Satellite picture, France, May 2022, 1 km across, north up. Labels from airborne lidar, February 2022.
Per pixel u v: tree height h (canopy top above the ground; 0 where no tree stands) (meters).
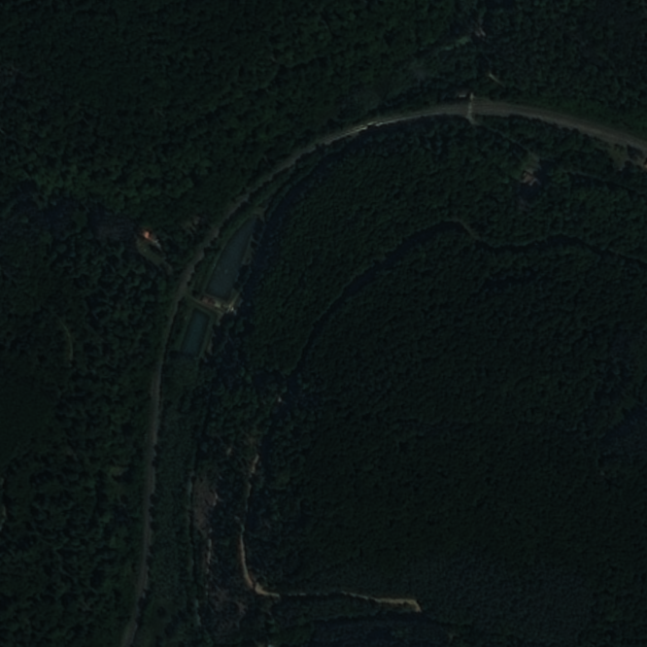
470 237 27
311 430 25
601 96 29
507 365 30
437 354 31
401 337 28
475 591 21
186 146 33
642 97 27
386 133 22
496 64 22
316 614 23
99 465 38
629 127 25
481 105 0
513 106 0
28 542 36
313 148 0
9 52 27
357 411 27
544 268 27
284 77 31
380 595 10
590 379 32
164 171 35
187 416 22
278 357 31
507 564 22
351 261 27
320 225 26
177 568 22
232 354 30
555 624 26
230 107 27
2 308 31
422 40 29
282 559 10
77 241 19
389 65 23
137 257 34
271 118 33
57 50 26
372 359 27
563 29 10
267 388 34
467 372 28
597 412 28
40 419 16
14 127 33
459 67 16
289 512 13
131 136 27
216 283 0
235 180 29
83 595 32
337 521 25
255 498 10
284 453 30
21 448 18
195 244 19
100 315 33
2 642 33
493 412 26
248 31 30
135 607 0
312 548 25
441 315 29
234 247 0
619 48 15
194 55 29
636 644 35
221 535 35
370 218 27
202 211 33
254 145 32
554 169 33
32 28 28
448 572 21
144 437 11
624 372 27
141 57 31
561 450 28
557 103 23
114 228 34
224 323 15
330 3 36
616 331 30
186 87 26
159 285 27
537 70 28
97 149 33
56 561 8
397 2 29
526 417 26
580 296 30
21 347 14
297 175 17
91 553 33
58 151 33
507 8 30
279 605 23
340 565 23
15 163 36
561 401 29
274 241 25
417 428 29
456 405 27
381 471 27
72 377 27
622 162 0
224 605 11
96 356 33
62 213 32
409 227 30
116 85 28
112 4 28
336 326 27
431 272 31
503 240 31
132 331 21
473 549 23
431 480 29
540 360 30
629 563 28
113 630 16
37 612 16
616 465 26
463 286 28
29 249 25
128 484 25
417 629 34
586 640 31
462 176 30
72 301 9
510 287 26
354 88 29
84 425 35
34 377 13
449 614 19
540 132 27
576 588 26
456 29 24
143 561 0
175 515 21
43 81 26
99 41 26
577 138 17
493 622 20
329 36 22
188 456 26
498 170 35
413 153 28
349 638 35
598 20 13
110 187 35
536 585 23
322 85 29
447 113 0
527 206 39
